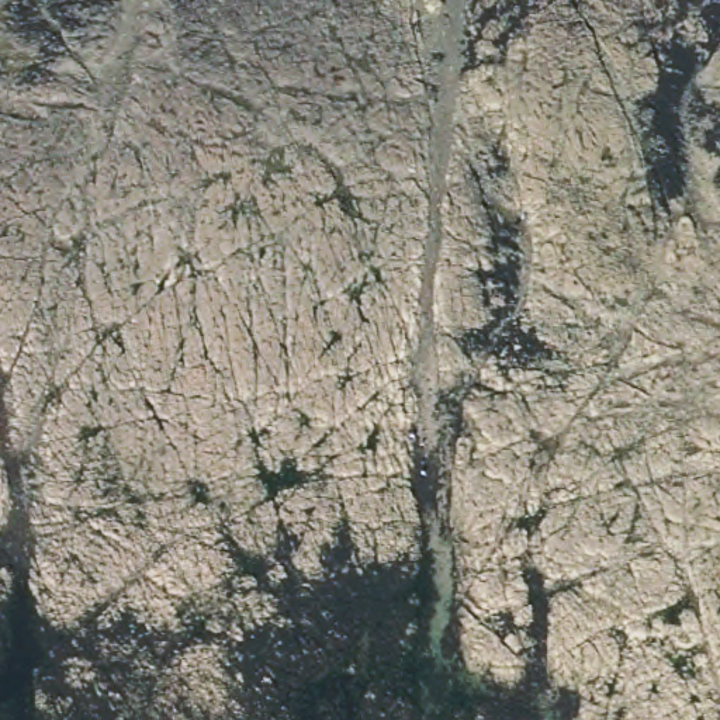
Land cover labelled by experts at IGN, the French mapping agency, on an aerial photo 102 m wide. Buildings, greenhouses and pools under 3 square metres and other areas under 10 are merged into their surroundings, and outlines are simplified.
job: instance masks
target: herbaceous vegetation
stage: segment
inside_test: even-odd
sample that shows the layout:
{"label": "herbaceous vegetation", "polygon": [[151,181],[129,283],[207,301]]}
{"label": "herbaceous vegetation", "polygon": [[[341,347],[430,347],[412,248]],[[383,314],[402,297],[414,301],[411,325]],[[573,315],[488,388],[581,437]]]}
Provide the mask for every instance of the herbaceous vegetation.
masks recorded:
{"label": "herbaceous vegetation", "polygon": [[720,6],[709,6],[700,14],[709,34],[706,48],[712,53],[720,48]]}
{"label": "herbaceous vegetation", "polygon": [[658,65],[655,90],[638,98],[641,110],[653,110],[653,124],[641,132],[641,138],[664,138],[667,143],[667,155],[647,169],[647,194],[661,203],[661,208],[669,208],[669,200],[675,200],[686,186],[689,158],[683,149],[678,107],[683,84],[698,76],[698,70],[703,70],[689,42],[669,42],[667,59]]}
{"label": "herbaceous vegetation", "polygon": [[[366,624],[374,633],[374,644],[397,647],[411,638],[405,627],[413,624],[416,605],[405,602],[397,591],[408,582],[408,574],[399,574],[391,563],[368,563],[366,557],[360,557],[352,540],[349,518],[340,518],[332,532],[335,540],[321,546],[318,579],[295,568],[293,554],[298,551],[301,540],[290,532],[287,523],[276,523],[276,546],[264,554],[250,554],[239,543],[225,548],[225,554],[233,560],[233,568],[242,577],[256,579],[259,593],[273,596],[276,610],[290,619],[290,627],[270,627],[264,622],[256,630],[245,633],[242,641],[233,641],[228,633],[211,633],[205,622],[191,622],[186,630],[177,633],[166,624],[158,630],[146,630],[129,608],[113,627],[98,627],[98,619],[104,613],[101,602],[96,602],[70,627],[53,627],[51,619],[45,619],[39,624],[39,641],[53,658],[53,669],[45,675],[39,667],[34,667],[31,683],[34,695],[48,695],[45,709],[39,712],[45,720],[169,720],[163,714],[163,706],[155,700],[155,678],[138,675],[135,661],[149,658],[158,667],[172,667],[172,661],[194,644],[217,644],[222,650],[219,669],[245,675],[242,686],[228,695],[242,703],[239,720],[295,720],[301,709],[295,703],[278,700],[287,683],[304,681],[312,672],[323,669],[340,653],[340,647],[346,647],[354,638],[360,624]],[[87,658],[96,672],[93,681],[87,681],[84,686],[70,686],[68,658]]]}

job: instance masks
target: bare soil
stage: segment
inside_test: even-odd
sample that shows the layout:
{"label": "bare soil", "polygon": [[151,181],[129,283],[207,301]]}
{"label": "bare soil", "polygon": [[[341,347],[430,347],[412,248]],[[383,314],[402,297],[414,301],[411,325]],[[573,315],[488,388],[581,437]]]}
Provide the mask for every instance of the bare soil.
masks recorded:
{"label": "bare soil", "polygon": [[96,672],[87,658],[68,658],[70,686],[84,686],[87,681],[93,681]]}
{"label": "bare soil", "polygon": [[[113,627],[129,608],[146,630],[158,630],[166,624],[177,633],[186,630],[191,622],[205,622],[211,633],[228,633],[233,641],[242,641],[245,633],[256,630],[264,622],[270,627],[290,627],[290,619],[276,610],[273,596],[259,593],[256,579],[242,577],[233,568],[233,560],[225,554],[225,548],[239,543],[250,554],[264,554],[276,546],[276,523],[287,523],[290,532],[301,540],[298,551],[293,554],[295,568],[318,579],[321,546],[335,540],[332,532],[340,518],[349,518],[352,540],[360,557],[366,557],[368,563],[391,563],[399,574],[408,574],[408,582],[397,591],[405,602],[416,605],[413,624],[405,627],[411,638],[397,647],[374,644],[374,633],[366,624],[360,624],[354,638],[346,647],[340,647],[340,653],[323,669],[312,672],[304,681],[287,683],[278,700],[295,703],[301,709],[295,720],[720,720],[720,48],[712,53],[706,48],[709,34],[700,14],[709,6],[720,6],[720,0],[0,0],[0,720],[45,720],[39,712],[45,709],[48,695],[34,695],[31,683],[34,667],[39,667],[45,675],[53,669],[53,658],[39,641],[39,624],[45,619],[51,619],[53,627],[70,627],[96,602],[101,602],[104,613],[98,619],[98,627]],[[669,42],[689,42],[703,70],[698,70],[698,76],[683,84],[678,107],[683,149],[689,158],[686,186],[675,200],[669,200],[669,208],[661,208],[661,203],[647,194],[647,169],[667,155],[667,143],[664,138],[641,138],[641,132],[653,124],[653,110],[641,110],[638,98],[655,90],[658,65],[667,59]]]}
{"label": "bare soil", "polygon": [[172,667],[158,667],[149,658],[135,661],[138,675],[155,678],[155,700],[163,706],[163,714],[169,720],[239,720],[242,703],[228,695],[242,686],[245,675],[219,669],[222,650],[217,644],[194,644],[172,661]]}

